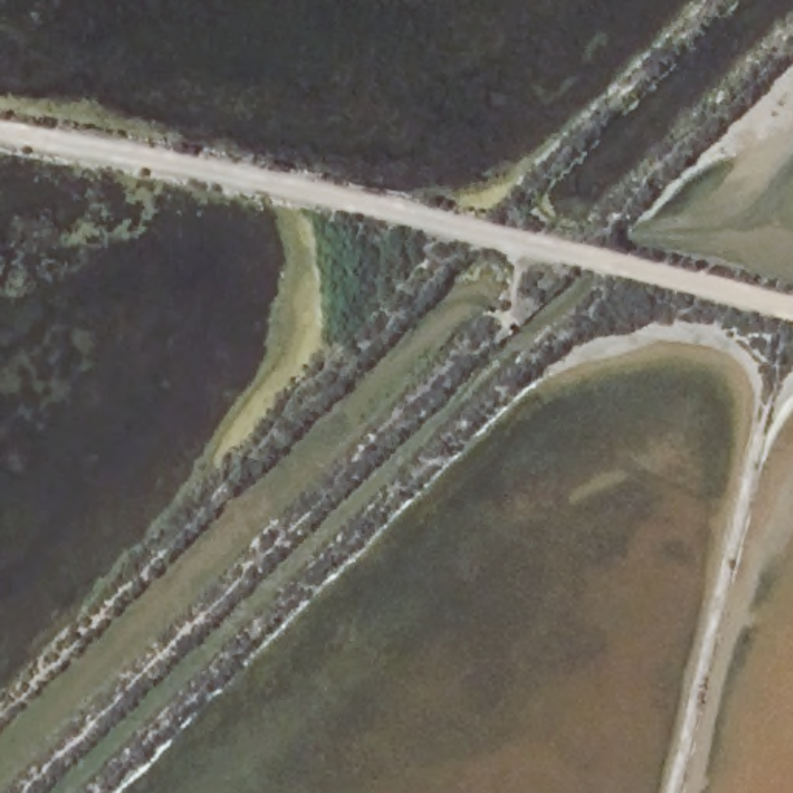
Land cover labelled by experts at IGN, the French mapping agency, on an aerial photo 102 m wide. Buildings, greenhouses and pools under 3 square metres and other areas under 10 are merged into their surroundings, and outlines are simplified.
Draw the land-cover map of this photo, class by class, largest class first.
<instances>
[{"label":"water","instance_id":"1","mask_svg":"<svg viewBox=\"0 0 793 793\"><path fill-rule=\"evenodd\" d=\"M691 0H0V96L59 102L90 99L115 112L118 118H136L158 124V130L180 133V146L173 152L223 158L235 164H257L285 173L307 170L335 186H359L375 195L403 192L412 198L424 186L480 192L489 186L486 173L493 167L517 164L524 155H533L554 136L576 112H582L598 93H604L616 81L629 59L641 53ZM793 9V0H737V9L731 15L706 19L700 25V34L678 46L675 62L660 65V81L654 90H635L638 108H616L607 115V124L589 127L585 161L576 164L551 189V204H558L561 198H579L595 204L601 195H607V189H613L629 170H635L644 161L647 149L675 127L678 115L688 112L706 93H712L719 81L731 71V65L740 56H747L765 34H771V28L784 22ZM53 164L37 158L0 155V260L15 257L9 248L12 217L50 220V226L62 235L84 220L87 201L71 198L43 177V170ZM666 217L663 211L654 220L641 217L635 226H629V239L678 251L681 257H700L706 260L700 273L793 294V155L750 201V208L722 226L666 232ZM285 266V245L279 235V217L273 204L257 208L248 195L198 201L186 186L167 183L155 198V217L149 220L146 235L121 239L99 251H90L87 269L77 276L46 282L37 291L28 288L19 297H0V688L12 685L22 666L37 663L40 647L62 629L65 613L87 598L93 582L115 564V558L127 545L142 539L149 524L170 505L177 489L189 480L192 462L204 449L214 440L217 427L226 421L235 400L257 378V369L266 356L269 307L279 291V273ZM489 291V285L455 279V288L446 294L443 307L431 313L424 325L412 331L393 353H387L344 403L328 409L294 446V452L279 462V468L257 480L245 496H239L232 508L217 520V527L198 545L189 548V554L177 561L173 570H167L164 579H146L149 592L127 610L124 623L115 632L108 629L87 654L74 651L65 660L71 669L65 675L50 672L25 703H19L0 722V781L9 771H15L31 750H37L50 737L53 728L62 725V719L74 716V709L112 672L124 666L127 657L146 651V641L152 638L155 626L164 623L183 601H189L195 589L239 545L251 542L269 517H279L288 502H297L304 496V483L325 462V455L347 434L366 424L381 409V403H387L403 387L406 378L418 372V366L424 362V347L437 350L452 325L468 319V310H474L477 297ZM561 387L554 393L536 390L480 440L462 462H455L440 477V483L421 502H415L393 524V530L372 548L369 558L350 567L325 595H319L316 604H310V610L260 660H254L248 678L235 691H226L223 697L208 703H195L198 719L192 722V728L183 731V740L173 743L164 753V759L127 793H663L678 740L688 672L697 657L706 601L719 570V551L731 520L740 462L747 455L753 434V387L747 372L728 353L706 344L654 341L641 350L613 359L582 362L564 372L558 378ZM753 623L737 635L722 685V700L706 756V781L700 793H793V533L787 548L768 558V564L762 567L750 604Z\"/></svg>","mask_w":793,"mask_h":793},{"label":"brushwood","instance_id":"2","mask_svg":"<svg viewBox=\"0 0 793 793\"><path fill-rule=\"evenodd\" d=\"M737 9V0H691L641 53L629 59L616 81L604 93H598L582 112H576L554 136L561 149L545 164H539L520 189L502 198L493 208L489 220L508 229L558 235L567 242L595 245L700 273L706 260L700 257H681L678 251L629 239V226H635L641 217L669 180L691 167L712 142H719L728 133V127L737 124L793 65V9L784 22L771 28V34H765L747 56H740L731 65V71L719 81L712 93H706L688 112L678 115L675 127L647 149L644 161L635 170H629L613 189H607V195H601L595 204L579 198H561L558 204H551V189L576 164L585 161L589 127L607 124V115L616 108H638L635 90H654L660 81V65L675 62L678 46L700 34V25L706 19L731 15ZM325 316L319 350L313 353V362L304 369V375L294 378L276 397L273 409L260 418L254 434L242 446L226 452L223 468H217L211 452L204 449L192 462L189 480L177 489L170 505L149 524L142 539L127 545L115 558V564L93 582L87 598L65 613L62 629L40 647L37 663L22 666L12 685L0 688V722L19 703H25L50 672L65 675L71 669L65 660L74 651L87 654L108 629L115 632L124 623L127 610L149 592L146 579H164L167 570H173L177 561L189 554V548L198 545L217 527V520L232 508L239 496H245L257 480L279 468V462L294 452V446L328 409L344 403L387 353H393L412 331L424 325L431 313L443 307L446 294L455 288V279L489 285V291L477 297L474 310H468V319L452 325L437 350L424 347V362L418 366V372L406 378L403 387L387 403H381V409L366 424L347 434L325 455V462L304 483V496L297 502H288L279 517H269L251 542L239 545L195 589L189 601H183L164 623L155 626L152 638L146 641V651L127 657L124 666L112 672L74 709V716L62 719V725L53 728L50 737L37 750H31L15 771H9L0 781V793H127L164 759V753L173 743L183 740V731L192 728V722L198 719L195 703H208L223 697L226 691H235L248 678L254 660H260L310 610V604H316L319 595H325L350 567L369 558L372 548L393 530V524L415 502H421L440 483V477L455 462H462L480 440L477 427L486 421V415L511 403L514 390L539 378L551 362L564 359L573 347L607 335H632L651 322H712L722 328H737L743 350H756L765 356L759 372L765 400L781 393L784 378L793 372V322L706 300L688 291H672L623 276H604L570 263H533L524 273L520 297L508 304L502 291H508L514 263L508 260V254L496 248L446 242L440 235L375 220L366 214L319 211L313 220Z\"/></svg>","mask_w":793,"mask_h":793},{"label":"pervious surface","instance_id":"3","mask_svg":"<svg viewBox=\"0 0 793 793\"><path fill-rule=\"evenodd\" d=\"M793 155V65L737 124L728 127V133L719 142H712L691 167L669 180L641 217L654 220L663 211L688 180H694L716 161H734V170L716 189L700 192L681 214L666 217V232L722 226L750 208V201ZM0 155L37 158L53 164H74L87 170L112 167L130 177L149 167L152 180L167 183L186 186L198 201L248 195L257 208L273 204L279 217V235L285 245V266L279 273V291L269 307L266 356L257 369V378L235 400L226 421L217 427L214 440L204 449L211 452L217 468H223L226 452L242 446L254 434L260 418L273 409L276 397L294 378L304 375V369L313 362V353L319 350L325 316L313 220L319 211L366 214L375 220L440 235L446 242L496 248L508 254V260L514 263L508 291H502L508 304L520 297L524 273L533 263H570L604 276H623L672 291H688L706 300L793 322V294L700 273L595 245L567 242L558 235L508 229L489 220L449 214L412 198L403 192L375 195L359 186H335L307 170L285 173L257 164H235L223 158L173 152L149 149L127 139H105L93 133L0 121ZM654 341L706 344L728 353L747 372L753 387V434L747 455L740 462L731 520L719 551V570L706 601L697 657L688 672L678 740L663 793H700L706 781V756L722 700V685L737 635L753 623L750 604L762 567L768 564V558L787 548L793 533V372L784 378L781 393L765 400L759 372L765 356L756 350H743L737 328H722L712 322H651L632 335H607L573 347L564 359L551 362L539 378L514 390L511 403L486 415V421L477 427L480 440L536 390L554 393L561 387L558 378L564 372L582 362L613 359L641 350Z\"/></svg>","mask_w":793,"mask_h":793},{"label":"herbaceous vegetation","instance_id":"4","mask_svg":"<svg viewBox=\"0 0 793 793\"><path fill-rule=\"evenodd\" d=\"M0 121L93 133L105 139H127L149 149L173 152L180 146V133L158 130V124L136 118H118L115 112L90 99L59 102L0 96ZM561 149L554 136L533 155H524L517 164L493 167L486 173L489 186L480 192L424 186L412 198L449 214L489 220L493 208L502 198L520 189L539 164H545ZM734 170V161H716L694 180H688L663 211L666 217L681 214L700 192L716 189ZM43 177L71 198L87 201L84 220L62 235L50 226V220L12 217L9 248L15 257L0 260V297H19L28 288L37 291L46 282L77 276L87 269L90 251H99L121 239L146 235L149 220L155 217V198L167 183L152 180L149 167L130 177L112 167L87 170L74 164H53L43 170Z\"/></svg>","mask_w":793,"mask_h":793}]
</instances>
